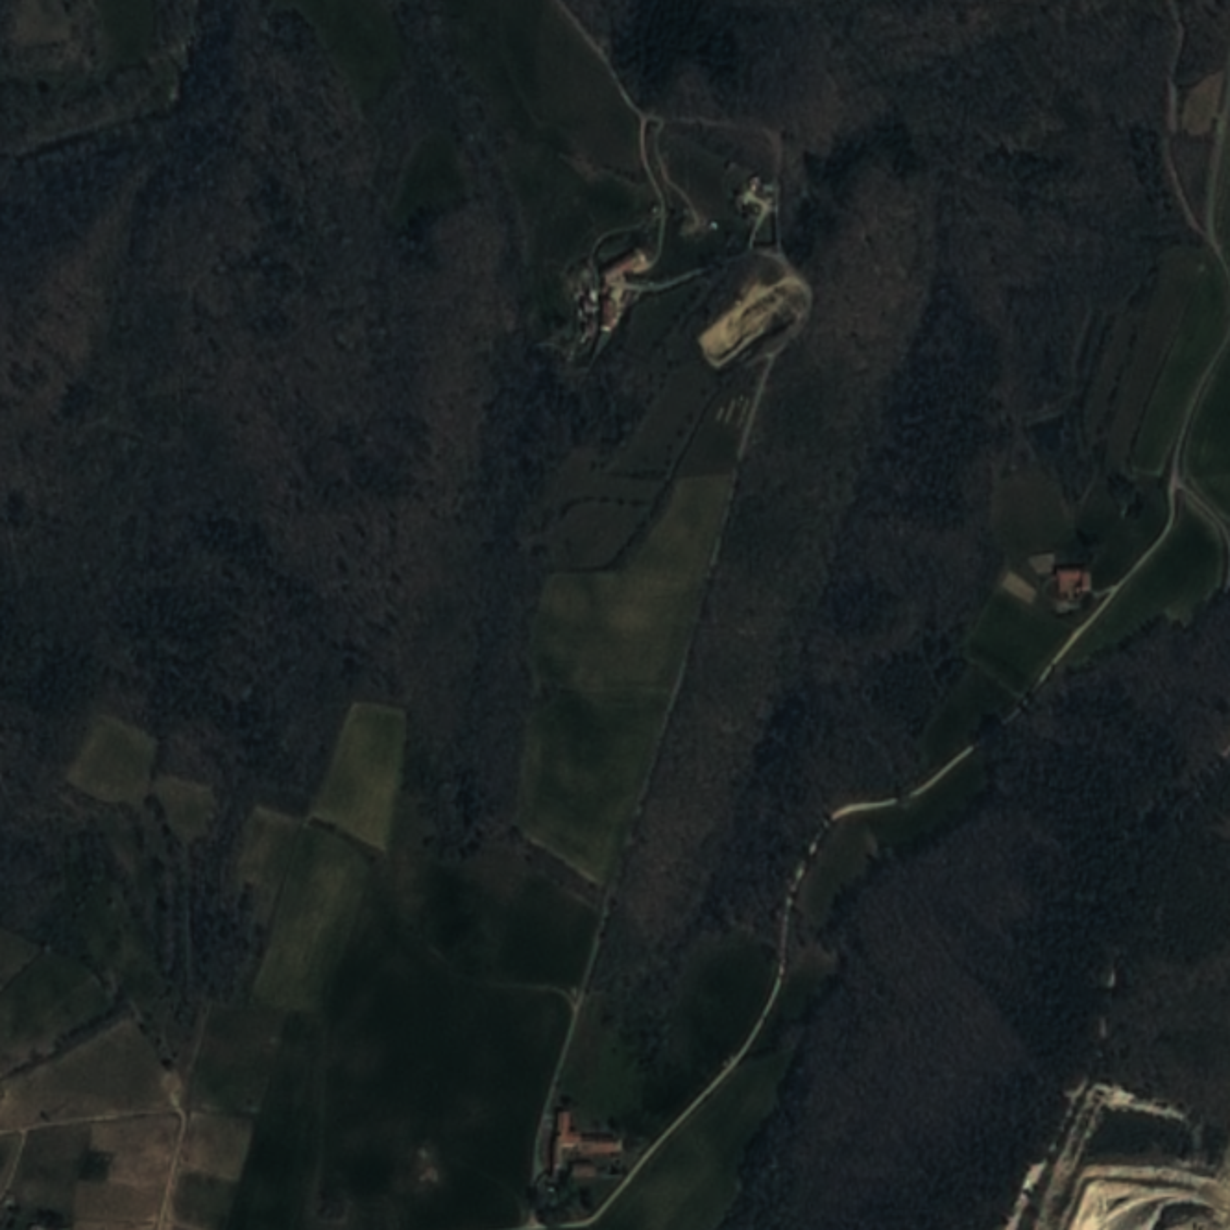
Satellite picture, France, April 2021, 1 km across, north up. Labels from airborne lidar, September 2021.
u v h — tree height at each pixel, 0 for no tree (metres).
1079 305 15
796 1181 16
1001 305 17
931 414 23
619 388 10
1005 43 11
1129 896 7
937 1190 13
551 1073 0
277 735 14
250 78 9
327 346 10
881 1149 13
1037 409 10
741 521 10
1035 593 0
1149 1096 6
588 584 0
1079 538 0
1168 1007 12
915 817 0
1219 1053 12
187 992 14
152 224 11
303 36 16
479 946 0
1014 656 0
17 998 0
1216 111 0
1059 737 12
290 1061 0
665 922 14
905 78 19
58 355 13
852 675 12
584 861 0
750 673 9
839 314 11
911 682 11
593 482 0
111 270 9
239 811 9
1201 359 0
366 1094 0
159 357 10
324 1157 0
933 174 23
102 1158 0
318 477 13
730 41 21
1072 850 19
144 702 10
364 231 17
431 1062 0
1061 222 12
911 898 22
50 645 12
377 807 0
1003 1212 6
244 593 11
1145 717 17
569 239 0
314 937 0
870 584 11
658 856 10
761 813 12
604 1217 0
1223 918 13
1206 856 13
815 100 13
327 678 12
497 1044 0
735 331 0
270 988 0
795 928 12
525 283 15
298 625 18
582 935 0
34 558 10
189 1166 0
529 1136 0
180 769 12
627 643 0
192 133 9
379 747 0
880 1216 19
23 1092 0
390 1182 0
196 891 8
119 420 11
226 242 19
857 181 20
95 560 11
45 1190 0
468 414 13
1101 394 0
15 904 13
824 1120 16
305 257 20
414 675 12
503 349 18
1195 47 12
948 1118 18
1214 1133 6
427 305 15
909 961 22
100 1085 0
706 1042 0
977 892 21
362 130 12
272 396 11
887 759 13
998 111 22
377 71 0
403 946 0
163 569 19
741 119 12
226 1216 0
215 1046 0
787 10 22
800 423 13
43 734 12
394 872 0
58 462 10
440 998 0
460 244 11
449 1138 0
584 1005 0
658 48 21
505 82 0
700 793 7
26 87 18
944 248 17
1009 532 0
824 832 12
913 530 9
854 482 15
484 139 14
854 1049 18
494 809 11
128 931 0
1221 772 12
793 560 12
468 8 0
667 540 0
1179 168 8
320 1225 0
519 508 10
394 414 16
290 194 16
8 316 11
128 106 25
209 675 17
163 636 13
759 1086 0
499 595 13
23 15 0
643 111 13
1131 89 16
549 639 0
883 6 13
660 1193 0
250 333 10
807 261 13
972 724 0
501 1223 0
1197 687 10
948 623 9
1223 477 0
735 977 0
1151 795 14
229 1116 0
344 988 0
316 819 0
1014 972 20
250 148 13
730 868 17
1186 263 0
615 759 0
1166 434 0
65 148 21
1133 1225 0
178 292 7
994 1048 15
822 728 16
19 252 17
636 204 0
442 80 21
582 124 0
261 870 0
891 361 12
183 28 16
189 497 22
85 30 7
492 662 13
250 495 8
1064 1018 15
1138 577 0
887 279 9
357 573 7
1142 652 13
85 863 7
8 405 12
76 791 8
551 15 0
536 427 15
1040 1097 13
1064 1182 0
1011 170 18
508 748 12
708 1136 0
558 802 0
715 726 8
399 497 12
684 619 0
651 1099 0
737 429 0
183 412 15
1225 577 0
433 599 13
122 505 18
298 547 9
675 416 0
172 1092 0
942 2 12
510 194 14
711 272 15
